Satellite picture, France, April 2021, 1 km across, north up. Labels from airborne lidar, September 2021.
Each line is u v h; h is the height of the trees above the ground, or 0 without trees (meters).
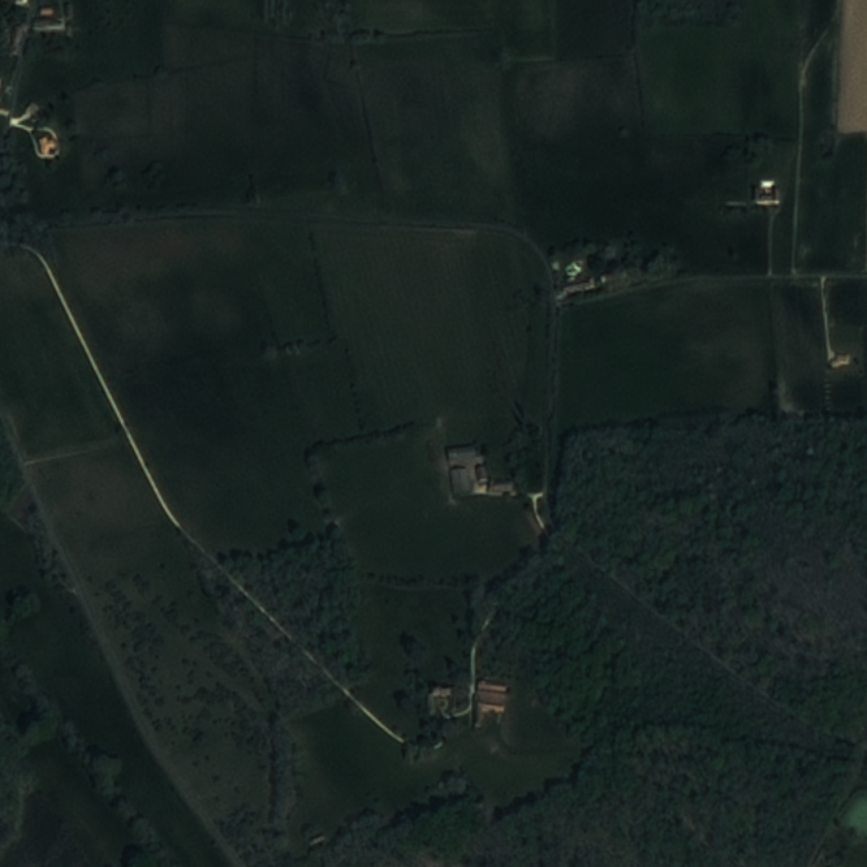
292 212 0
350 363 0
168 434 0
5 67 0
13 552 0
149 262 0
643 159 0
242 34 0
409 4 0
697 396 0
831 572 16
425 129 0
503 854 18
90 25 0
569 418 0
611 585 17
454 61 0
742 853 11
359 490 0
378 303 0
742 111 0
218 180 0
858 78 0
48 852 16
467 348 0
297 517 0
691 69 0
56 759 0
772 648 15
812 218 0
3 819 24
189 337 0
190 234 0
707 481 16
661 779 18
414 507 0
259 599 16
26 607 22
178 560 0
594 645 29
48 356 0
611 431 11
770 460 19
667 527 14
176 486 0
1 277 0
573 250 12
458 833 22
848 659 22
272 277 0
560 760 0
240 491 0
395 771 0
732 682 18
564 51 0
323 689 19
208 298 0
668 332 0
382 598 0
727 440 22
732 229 0
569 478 22
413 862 16
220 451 0
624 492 20
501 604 26
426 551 0
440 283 0
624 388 0
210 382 0
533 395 0
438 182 0
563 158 0
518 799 0
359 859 24
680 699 15
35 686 11
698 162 0
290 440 0
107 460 0
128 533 0
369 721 0
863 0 0
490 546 0
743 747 14
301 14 0
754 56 0
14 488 20
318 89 0
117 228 0
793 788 17
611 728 12
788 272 0
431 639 0
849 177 0
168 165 0
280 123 0
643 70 0
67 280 0
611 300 0
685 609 17
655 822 18
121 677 0
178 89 0
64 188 0
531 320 0
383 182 0
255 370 0
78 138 7
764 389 0
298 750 9
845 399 0
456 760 0
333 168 0
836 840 0
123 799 12
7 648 14
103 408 0
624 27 0
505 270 0
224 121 0
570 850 22
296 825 0
